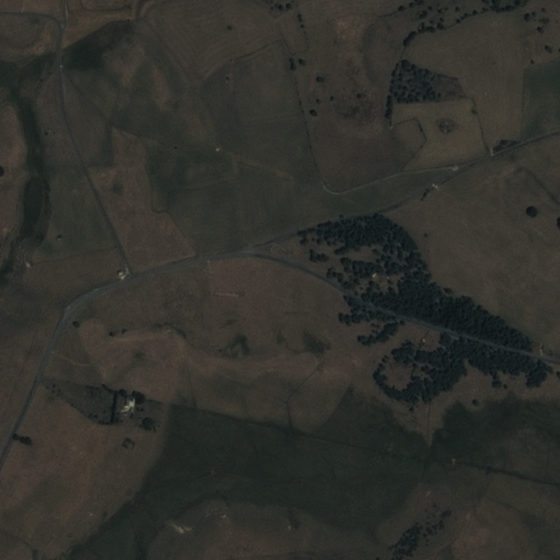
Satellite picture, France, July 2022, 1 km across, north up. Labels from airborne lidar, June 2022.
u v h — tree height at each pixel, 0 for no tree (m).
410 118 0
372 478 0
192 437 0
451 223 0
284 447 0
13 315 0
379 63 0
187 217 0
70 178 0
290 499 0
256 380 0
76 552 0
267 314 0
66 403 0
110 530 0
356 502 0
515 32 0
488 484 0
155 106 0
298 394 0
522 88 0
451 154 0
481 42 0
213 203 0
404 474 0
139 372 0
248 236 0
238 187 0
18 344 0
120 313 0
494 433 0
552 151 0
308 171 0
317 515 0
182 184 0
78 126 0
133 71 0
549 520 0
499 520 0
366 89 0
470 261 0
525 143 0
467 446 0
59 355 0
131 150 0
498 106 0
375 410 0
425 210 0
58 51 0
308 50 0
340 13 0
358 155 0
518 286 0
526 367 10
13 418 0
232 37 0
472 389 0
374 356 0
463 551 0
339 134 0
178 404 0
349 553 0
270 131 0
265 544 0
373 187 0
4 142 0
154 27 0
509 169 0
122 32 0
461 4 0
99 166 0
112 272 0
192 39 0
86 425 0
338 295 0
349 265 13
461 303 9
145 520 0
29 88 0
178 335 0
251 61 0
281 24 0
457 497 0
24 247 0
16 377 0
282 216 0
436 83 0
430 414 0
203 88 0
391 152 0
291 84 0
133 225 0
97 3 0
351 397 0
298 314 0
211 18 0
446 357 16
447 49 0
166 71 0
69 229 0
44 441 0
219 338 0
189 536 0
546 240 0
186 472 0
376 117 0
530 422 0
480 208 0
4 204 0
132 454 0
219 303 0
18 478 0
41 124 0
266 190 0
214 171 0
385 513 0
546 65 0
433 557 0
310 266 0
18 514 0
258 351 0
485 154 0
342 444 0
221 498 0
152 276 0
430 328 0
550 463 0
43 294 0
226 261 0
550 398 0
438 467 0
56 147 0
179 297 0
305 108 0
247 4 0
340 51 0
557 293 0
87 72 0
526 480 0
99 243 0
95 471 0
